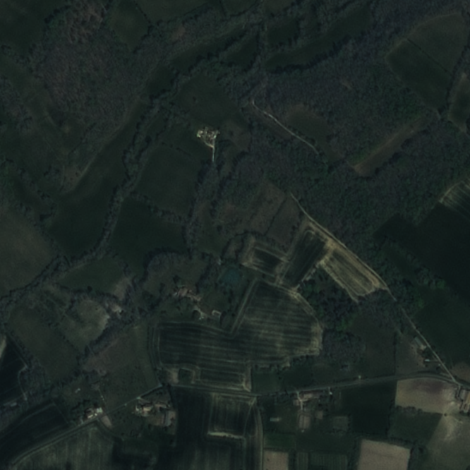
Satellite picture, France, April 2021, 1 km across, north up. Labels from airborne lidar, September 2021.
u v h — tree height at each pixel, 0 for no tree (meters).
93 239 0
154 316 16
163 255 20
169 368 0
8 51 17
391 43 21
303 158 21
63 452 0
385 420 0
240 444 0
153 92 0
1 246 0
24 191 0
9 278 0
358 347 19
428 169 20
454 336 0
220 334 0
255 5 6
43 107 0
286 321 0
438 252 0
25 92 0
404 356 0
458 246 0
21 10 0
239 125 0
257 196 9
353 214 19
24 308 0
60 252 12
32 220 16
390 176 17
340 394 0
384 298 19
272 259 0
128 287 0
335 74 13
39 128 0
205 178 23
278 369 7
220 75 16
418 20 18
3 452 0
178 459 0
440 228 0
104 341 14
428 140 20
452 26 0
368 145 20
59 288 12
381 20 19
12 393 0
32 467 0
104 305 13
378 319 21
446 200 0
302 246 0
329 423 0
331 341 15
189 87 0
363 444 0
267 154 15
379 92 21
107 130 22
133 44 0
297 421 0
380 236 0
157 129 0
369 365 0
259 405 7
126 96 20
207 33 22
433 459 0
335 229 16
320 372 0
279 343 0
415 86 0
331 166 10
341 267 0
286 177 16
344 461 0
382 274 21
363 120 21
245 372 0
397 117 26
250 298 0
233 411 0
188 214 0
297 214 0
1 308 14
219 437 0
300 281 0
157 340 0
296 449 0
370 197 18
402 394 0
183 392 0
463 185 0
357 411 0
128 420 9
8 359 0
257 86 16
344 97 22
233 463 0
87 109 17
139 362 0
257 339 0
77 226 0
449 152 21
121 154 0
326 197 17
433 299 0
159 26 13
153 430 11
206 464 0
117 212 12
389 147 0
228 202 17
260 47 12
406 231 0
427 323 0
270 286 0
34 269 0
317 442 0
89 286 0
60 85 14
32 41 0
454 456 0
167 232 0
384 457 0
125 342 0
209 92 0
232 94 13
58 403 0
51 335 0
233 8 0
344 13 21
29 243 0
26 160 0
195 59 0
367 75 22
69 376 0
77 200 0
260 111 13
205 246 0
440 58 0
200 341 0
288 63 0
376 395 0
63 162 0
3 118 0
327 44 0
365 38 13
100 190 0
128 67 22
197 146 0
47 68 16
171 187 0
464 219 0
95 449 0
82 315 0
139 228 0
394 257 0
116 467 0
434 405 0
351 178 21
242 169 19
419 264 16
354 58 8
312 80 21
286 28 0
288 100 18
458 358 0
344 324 23
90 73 17
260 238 20
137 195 15
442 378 0
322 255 0
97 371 0
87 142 9
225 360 0
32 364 17
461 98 0
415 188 25
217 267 14
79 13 10
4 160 20
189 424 0
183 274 0
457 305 0
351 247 18
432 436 0
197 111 0
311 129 0
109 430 0
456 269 0
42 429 0
